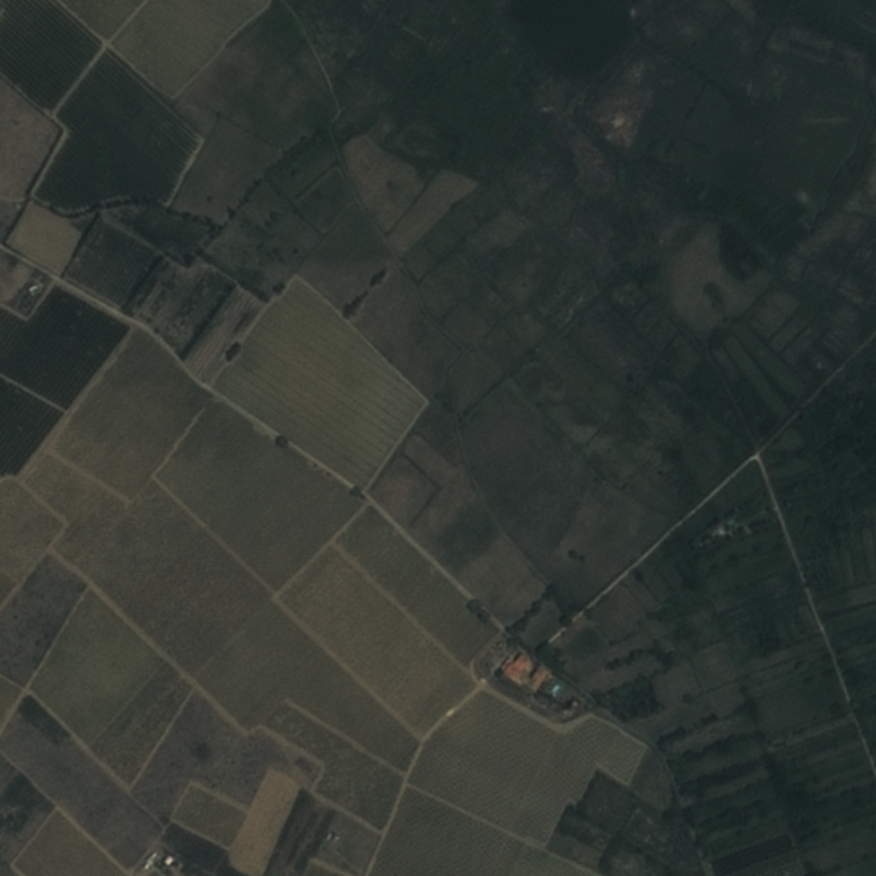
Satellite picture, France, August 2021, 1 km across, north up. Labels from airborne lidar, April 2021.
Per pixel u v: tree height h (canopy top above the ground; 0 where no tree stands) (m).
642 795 0
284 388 0
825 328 0
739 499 0
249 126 0
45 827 0
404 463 0
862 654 0
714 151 0
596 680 0
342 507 0
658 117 0
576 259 0
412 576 0
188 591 0
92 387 0
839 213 0
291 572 0
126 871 0
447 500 0
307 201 0
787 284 0
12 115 0
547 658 10
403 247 0
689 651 0
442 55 0
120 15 0
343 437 0
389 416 0
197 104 0
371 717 0
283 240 0
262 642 0
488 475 0
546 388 0
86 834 0
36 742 0
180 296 0
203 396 0
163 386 0
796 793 6
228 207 0
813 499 6
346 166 0
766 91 0
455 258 0
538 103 0
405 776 0
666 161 0
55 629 0
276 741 0
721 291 0
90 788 0
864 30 0
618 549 0
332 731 0
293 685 0
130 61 0
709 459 0
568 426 0
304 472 0
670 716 0
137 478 0
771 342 0
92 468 0
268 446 0
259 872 0
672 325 0
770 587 0
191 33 0
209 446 0
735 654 0
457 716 0
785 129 0
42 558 0
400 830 0
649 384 0
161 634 0
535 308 0
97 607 0
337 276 0
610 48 0
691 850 0
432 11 0
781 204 0
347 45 0
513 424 0
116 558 0
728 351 0
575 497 0
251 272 0
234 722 0
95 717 0
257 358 0
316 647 0
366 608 0
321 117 0
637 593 0
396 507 0
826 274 0
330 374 0
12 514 0
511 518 0
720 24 0
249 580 0
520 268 0
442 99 0
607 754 0
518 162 0
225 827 0
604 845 0
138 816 0
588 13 0
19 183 0
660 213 0
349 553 0
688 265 0
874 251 0
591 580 0
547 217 0
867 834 0
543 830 0
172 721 0
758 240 0
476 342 0
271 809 0
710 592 0
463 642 0
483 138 0
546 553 0
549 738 0
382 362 0
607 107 0
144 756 0
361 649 0
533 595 0
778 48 0
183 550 0
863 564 0
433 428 0
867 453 8
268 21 0
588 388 0
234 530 0
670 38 0
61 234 0
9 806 0
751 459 0
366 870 0
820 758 0
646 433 0
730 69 0
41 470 0
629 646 0
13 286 0
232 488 0
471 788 0
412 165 0
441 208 0
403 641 0
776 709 0
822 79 0
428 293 0
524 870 0
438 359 0
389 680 0
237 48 0
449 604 0
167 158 0
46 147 0
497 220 0
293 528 0
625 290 0
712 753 6
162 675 0
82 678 0
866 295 0
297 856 0
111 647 0
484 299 0
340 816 0
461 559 0
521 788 0
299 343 0
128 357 0
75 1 0
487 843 0
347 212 0
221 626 0
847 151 0
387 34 0
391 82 0
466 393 0
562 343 0
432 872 0
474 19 0
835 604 0
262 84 0
